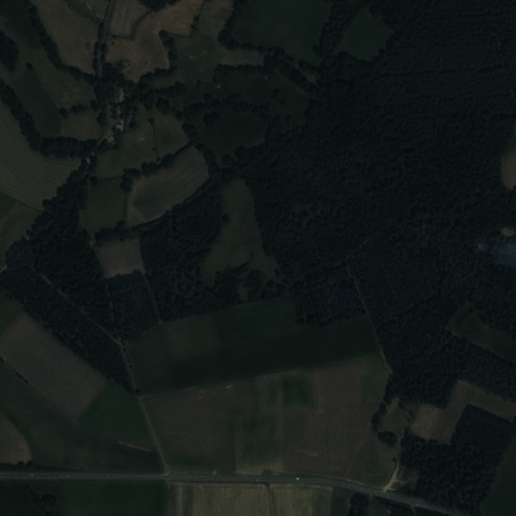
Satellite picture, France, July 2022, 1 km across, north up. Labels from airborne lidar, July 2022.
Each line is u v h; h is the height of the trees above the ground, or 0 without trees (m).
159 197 0
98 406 0
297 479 0
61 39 0
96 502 0
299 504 0
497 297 19
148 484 0
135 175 16
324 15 0
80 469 0
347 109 26
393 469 0
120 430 0
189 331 0
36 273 10
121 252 0
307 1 0
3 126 0
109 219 0
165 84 0
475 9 20
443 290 20
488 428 26
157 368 0
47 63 0
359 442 0
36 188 0
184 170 0
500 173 8
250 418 0
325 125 23
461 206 12
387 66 17
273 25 0
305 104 0
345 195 15
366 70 28
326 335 0
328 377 0
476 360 20
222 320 0
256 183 18
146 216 0
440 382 19
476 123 20
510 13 20
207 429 0
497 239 8
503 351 0
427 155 21
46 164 0
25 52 0
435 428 0
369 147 20
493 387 24
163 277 24
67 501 0
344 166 18
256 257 0
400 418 0
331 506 0
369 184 11
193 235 23
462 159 11
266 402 0
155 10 10
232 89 0
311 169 7
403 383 22
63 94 0
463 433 28
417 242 32
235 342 0
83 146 10
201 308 18
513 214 17
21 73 0
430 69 17
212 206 18
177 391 0
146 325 20
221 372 0
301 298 18
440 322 19
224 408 0
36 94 0
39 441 0
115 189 0
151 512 0
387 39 0
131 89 7
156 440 0
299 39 0
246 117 0
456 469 11
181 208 20
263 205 13
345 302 27
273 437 0
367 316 0
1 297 0
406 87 7
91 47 0
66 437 0
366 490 0
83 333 10
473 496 28
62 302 9
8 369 0
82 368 0
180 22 0
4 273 9
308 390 0
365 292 6
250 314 0
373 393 0
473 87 19
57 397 0
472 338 0
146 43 0
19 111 23
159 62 0
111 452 0
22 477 0
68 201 22
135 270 0
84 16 0
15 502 0
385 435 14
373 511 0
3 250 0
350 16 22
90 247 16
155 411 0
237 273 13
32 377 0
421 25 18
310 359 0
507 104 15
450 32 17
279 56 22
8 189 0
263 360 0
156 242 18
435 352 30
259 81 0
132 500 0
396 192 22
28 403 0
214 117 19
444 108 19
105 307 23
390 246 7
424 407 0
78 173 18
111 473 0
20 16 0
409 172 20
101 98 21
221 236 0
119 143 19
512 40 18
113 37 6
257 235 0
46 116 0
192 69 0
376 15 16
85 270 20
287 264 15
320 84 24
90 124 0
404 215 19
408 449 15
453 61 18
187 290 30
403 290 9
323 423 0
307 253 14
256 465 0
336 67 23
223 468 0
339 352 0
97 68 14
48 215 16
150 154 0
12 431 0
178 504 0
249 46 14
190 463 0
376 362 0
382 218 18
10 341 0
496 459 26
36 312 7
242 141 0
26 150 0
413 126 20
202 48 0
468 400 0
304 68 21
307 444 0
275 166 16
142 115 0
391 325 17
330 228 10
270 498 0
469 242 11
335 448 0
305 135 16
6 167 0
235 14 7
